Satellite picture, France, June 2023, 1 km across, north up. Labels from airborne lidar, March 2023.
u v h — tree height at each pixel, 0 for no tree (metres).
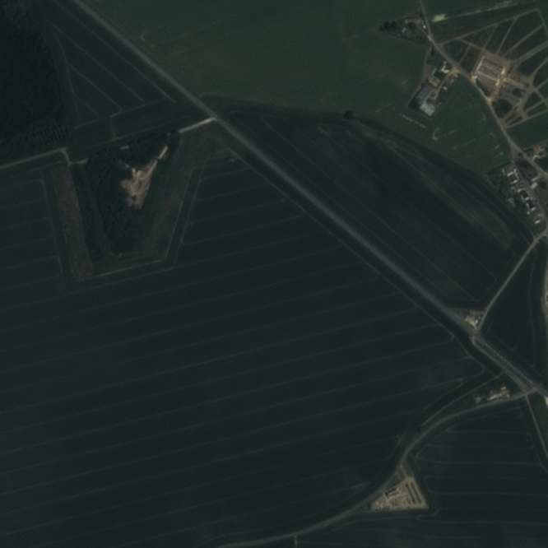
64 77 0
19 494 0
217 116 0
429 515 0
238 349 0
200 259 0
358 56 0
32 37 6
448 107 0
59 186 0
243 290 0
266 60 0
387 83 0
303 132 0
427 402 0
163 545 0
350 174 0
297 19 0
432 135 0
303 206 0
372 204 0
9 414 0
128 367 0
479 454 0
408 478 0
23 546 0
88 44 0
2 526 0
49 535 0
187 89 0
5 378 0
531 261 0
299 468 0
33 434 0
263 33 0
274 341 0
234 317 0
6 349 0
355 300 0
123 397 0
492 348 0
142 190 0
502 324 0
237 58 0
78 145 0
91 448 0
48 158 0
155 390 0
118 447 0
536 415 0
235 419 0
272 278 0
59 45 0
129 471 0
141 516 0
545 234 0
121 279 0
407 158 0
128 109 0
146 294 0
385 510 0
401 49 0
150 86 0
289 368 0
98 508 0
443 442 0
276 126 0
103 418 0
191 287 0
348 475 0
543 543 0
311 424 0
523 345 0
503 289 0
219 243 0
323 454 0
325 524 0
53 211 0
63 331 0
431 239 0
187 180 0
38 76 6
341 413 0
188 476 0
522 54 0
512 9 0
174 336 0
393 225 0
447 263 0
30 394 0
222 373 0
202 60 0
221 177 0
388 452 0
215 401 0
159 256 0
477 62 0
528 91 0
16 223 0
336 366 0
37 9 0
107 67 0
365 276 0
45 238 0
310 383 0
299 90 0
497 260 0
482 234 0
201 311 0
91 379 0
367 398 0
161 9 0
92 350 0
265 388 0
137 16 0
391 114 0
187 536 0
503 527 0
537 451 0
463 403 0
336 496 0
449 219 0
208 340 0
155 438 0
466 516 0
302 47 0
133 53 0
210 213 0
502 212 0
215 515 0
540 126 0
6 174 0
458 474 0
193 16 0
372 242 0
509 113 0
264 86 0
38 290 0
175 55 0
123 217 8
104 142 0
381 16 0
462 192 0
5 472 0
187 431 0
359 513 0
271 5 0
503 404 0
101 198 13
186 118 0
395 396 0
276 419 0
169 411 0
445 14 0
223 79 0
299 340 0
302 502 0
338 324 0
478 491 0
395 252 0
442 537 0
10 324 0
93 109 0
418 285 0
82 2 0
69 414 0
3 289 0
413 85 0
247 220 0
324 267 0
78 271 0
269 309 0
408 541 0
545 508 0
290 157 0
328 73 0
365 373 0
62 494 0
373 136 0
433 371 0
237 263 0
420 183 0
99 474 0
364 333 0
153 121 0
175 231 0
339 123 0
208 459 0
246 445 0
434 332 0
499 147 0
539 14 0
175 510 0
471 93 0
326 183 0
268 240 0
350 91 0
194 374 0
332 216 0
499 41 0
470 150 0
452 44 0
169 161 7
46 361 0
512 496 0
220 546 0
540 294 0
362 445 0
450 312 0
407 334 0
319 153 0
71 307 0
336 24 0
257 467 0
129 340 0
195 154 0
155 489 0
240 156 0
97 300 0
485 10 0
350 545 0
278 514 0
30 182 0
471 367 0
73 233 0
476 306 0
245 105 0
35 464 0
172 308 0
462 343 0
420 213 0
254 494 0
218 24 0
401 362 0
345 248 0
